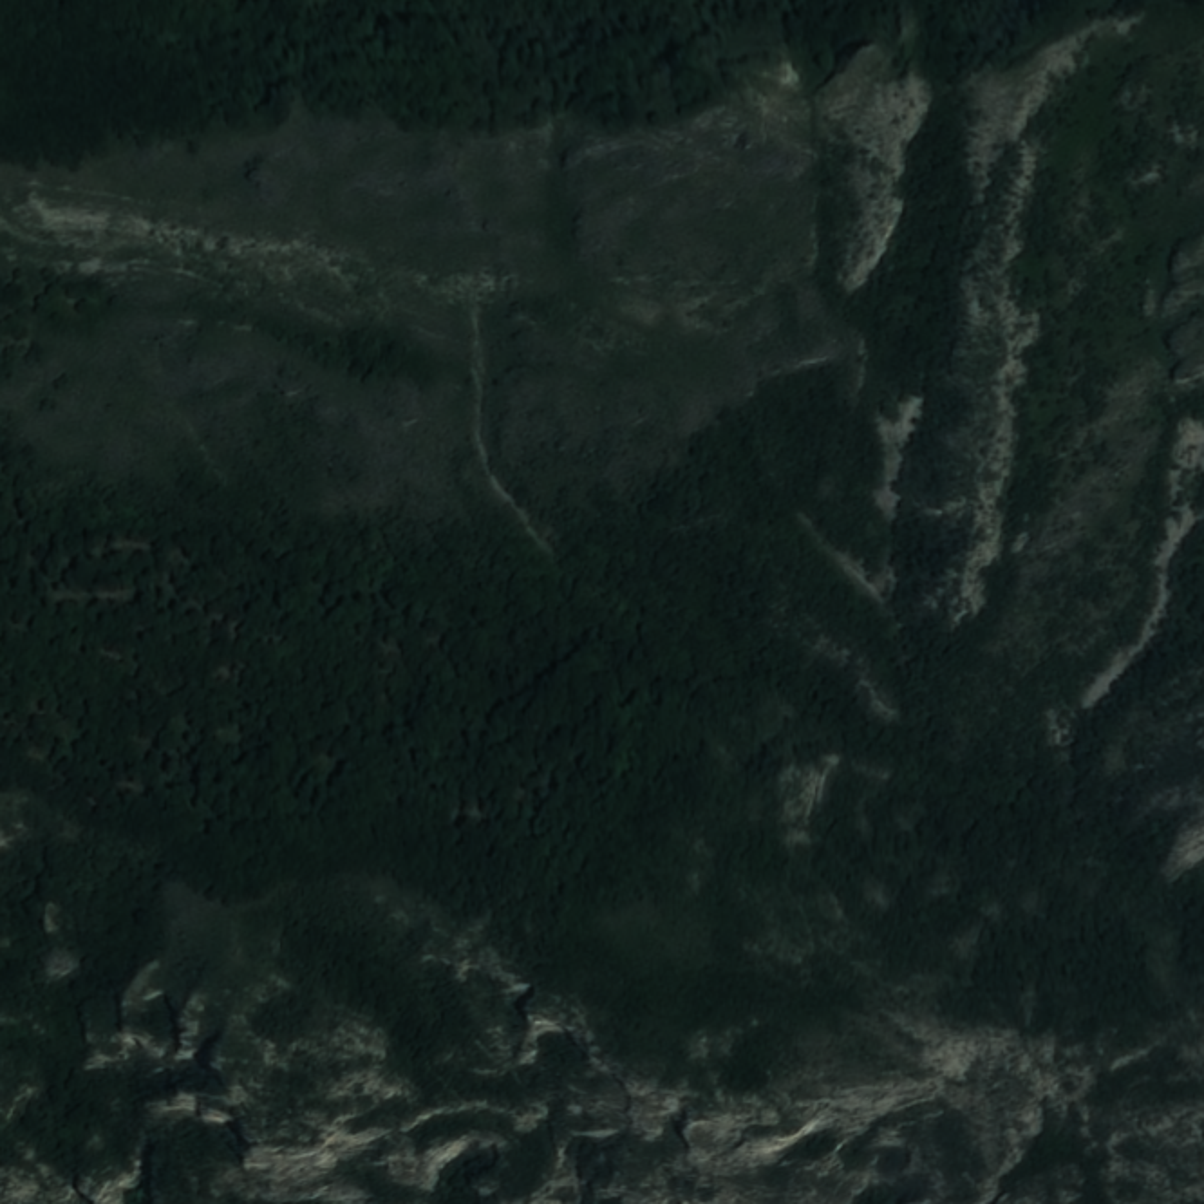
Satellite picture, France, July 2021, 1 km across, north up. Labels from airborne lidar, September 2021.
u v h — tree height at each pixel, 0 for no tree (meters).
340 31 11
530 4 12
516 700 22
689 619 19
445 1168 12
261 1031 7
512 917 14
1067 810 13
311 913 12
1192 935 13
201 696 16
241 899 14
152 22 10
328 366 10
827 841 6
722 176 0
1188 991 9
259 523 6
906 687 18
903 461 8
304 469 8
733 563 17
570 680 25
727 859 10
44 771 18
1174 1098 6
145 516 15
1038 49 0
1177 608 12
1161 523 12
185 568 24
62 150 13
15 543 27
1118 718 13
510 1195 6
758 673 21
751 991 6
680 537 11
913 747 21
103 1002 7
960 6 9
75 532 31
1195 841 0
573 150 0
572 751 24
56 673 26
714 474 17
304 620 23
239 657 22
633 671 28
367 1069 6
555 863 22
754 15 10
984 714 8
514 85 10
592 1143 10
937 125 10
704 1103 6
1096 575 7
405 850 23
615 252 7
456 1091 8
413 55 15
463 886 18
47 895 20
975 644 10
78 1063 10
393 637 26
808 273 7
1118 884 14
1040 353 12
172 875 10
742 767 6
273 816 25
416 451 7
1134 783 6
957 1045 0
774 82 0
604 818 20
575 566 22
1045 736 16
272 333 6
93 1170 6
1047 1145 12
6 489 8
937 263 14
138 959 13
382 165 0
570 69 15
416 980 7
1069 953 14
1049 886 12
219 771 23
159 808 28
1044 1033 7
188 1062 6
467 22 13
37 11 17
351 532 8
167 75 14
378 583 28
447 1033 16
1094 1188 11
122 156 0
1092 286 11
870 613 13
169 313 0
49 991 9
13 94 19
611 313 0
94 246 0
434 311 0
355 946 24
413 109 12
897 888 7
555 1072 12
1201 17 0
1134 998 8
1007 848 11
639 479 6
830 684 15
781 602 8
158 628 29
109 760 24
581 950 6
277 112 17
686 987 6
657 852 6
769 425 14
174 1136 8
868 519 15
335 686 26
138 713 12
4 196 0
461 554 15
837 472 14
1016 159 8
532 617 26
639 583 20
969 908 14
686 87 8
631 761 22
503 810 28
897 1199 7
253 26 18
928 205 18
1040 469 12
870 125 0
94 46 18
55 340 0
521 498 17
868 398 6
